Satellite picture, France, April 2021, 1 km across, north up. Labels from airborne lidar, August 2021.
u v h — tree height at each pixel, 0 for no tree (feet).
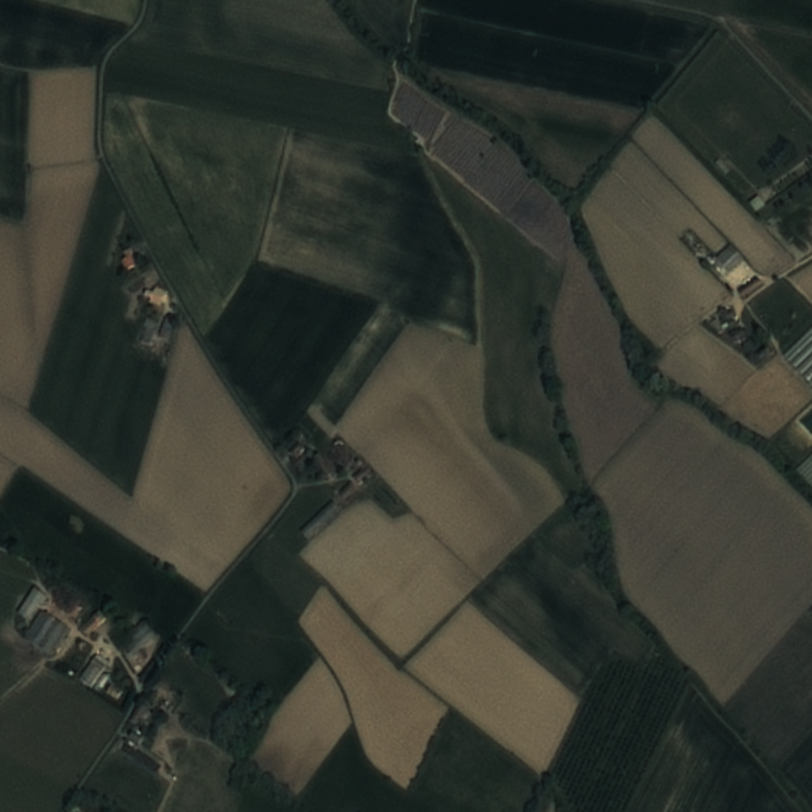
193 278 0
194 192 0
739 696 0
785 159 74
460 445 0
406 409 0
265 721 31
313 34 0
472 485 0
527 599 0
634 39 0
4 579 0
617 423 0
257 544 0
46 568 21
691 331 0
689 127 0
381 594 0
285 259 0
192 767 0
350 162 0
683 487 0
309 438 26
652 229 0
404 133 44
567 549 0
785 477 23
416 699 0
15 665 0
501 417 0
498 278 0
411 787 19
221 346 0
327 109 0
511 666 0
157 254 0
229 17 0
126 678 28
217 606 0
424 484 0
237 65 0
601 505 58
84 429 0
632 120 0
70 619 0
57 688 0
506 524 0
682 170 0
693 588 0
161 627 0
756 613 0
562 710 0
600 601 0
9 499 0
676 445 0
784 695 0
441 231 0
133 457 0
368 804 0
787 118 0
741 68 0
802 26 0
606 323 0
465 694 0
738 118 0
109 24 0
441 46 0
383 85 0
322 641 0
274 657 0
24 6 0
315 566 0
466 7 0
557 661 0
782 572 0
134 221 0
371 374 0
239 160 0
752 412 0
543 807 52
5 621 0
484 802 0
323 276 0
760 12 0
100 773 0
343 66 0
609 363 0
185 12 0
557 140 0
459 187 0
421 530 0
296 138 0
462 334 0
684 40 0
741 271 0
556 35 0
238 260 0
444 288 0
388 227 0
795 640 0
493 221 0
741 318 0
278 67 0
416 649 0
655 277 0
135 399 0
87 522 0
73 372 0
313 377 0
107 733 0
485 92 0
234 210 0
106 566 0
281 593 0
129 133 0
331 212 0
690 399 27
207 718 0
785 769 0
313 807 0
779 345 0
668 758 0
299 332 0
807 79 0
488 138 0
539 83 0
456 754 0
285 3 0
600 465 0
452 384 0
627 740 18
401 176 0
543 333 54
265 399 0
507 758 0
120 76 0
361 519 0
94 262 0
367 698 0
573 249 0
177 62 0
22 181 0
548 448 0
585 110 0
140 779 0
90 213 0
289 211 0
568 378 0
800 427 0
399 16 0
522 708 0
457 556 0
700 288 0
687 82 0
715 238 0
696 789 0
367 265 0
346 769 0
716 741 0
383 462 0
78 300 0
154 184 0
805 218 0
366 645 0
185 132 0
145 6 0
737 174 0
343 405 0
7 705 0
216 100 0
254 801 0
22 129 0
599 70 0
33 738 0
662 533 0
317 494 0
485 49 0
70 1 0
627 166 0
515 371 0
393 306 0
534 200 0
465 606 0
